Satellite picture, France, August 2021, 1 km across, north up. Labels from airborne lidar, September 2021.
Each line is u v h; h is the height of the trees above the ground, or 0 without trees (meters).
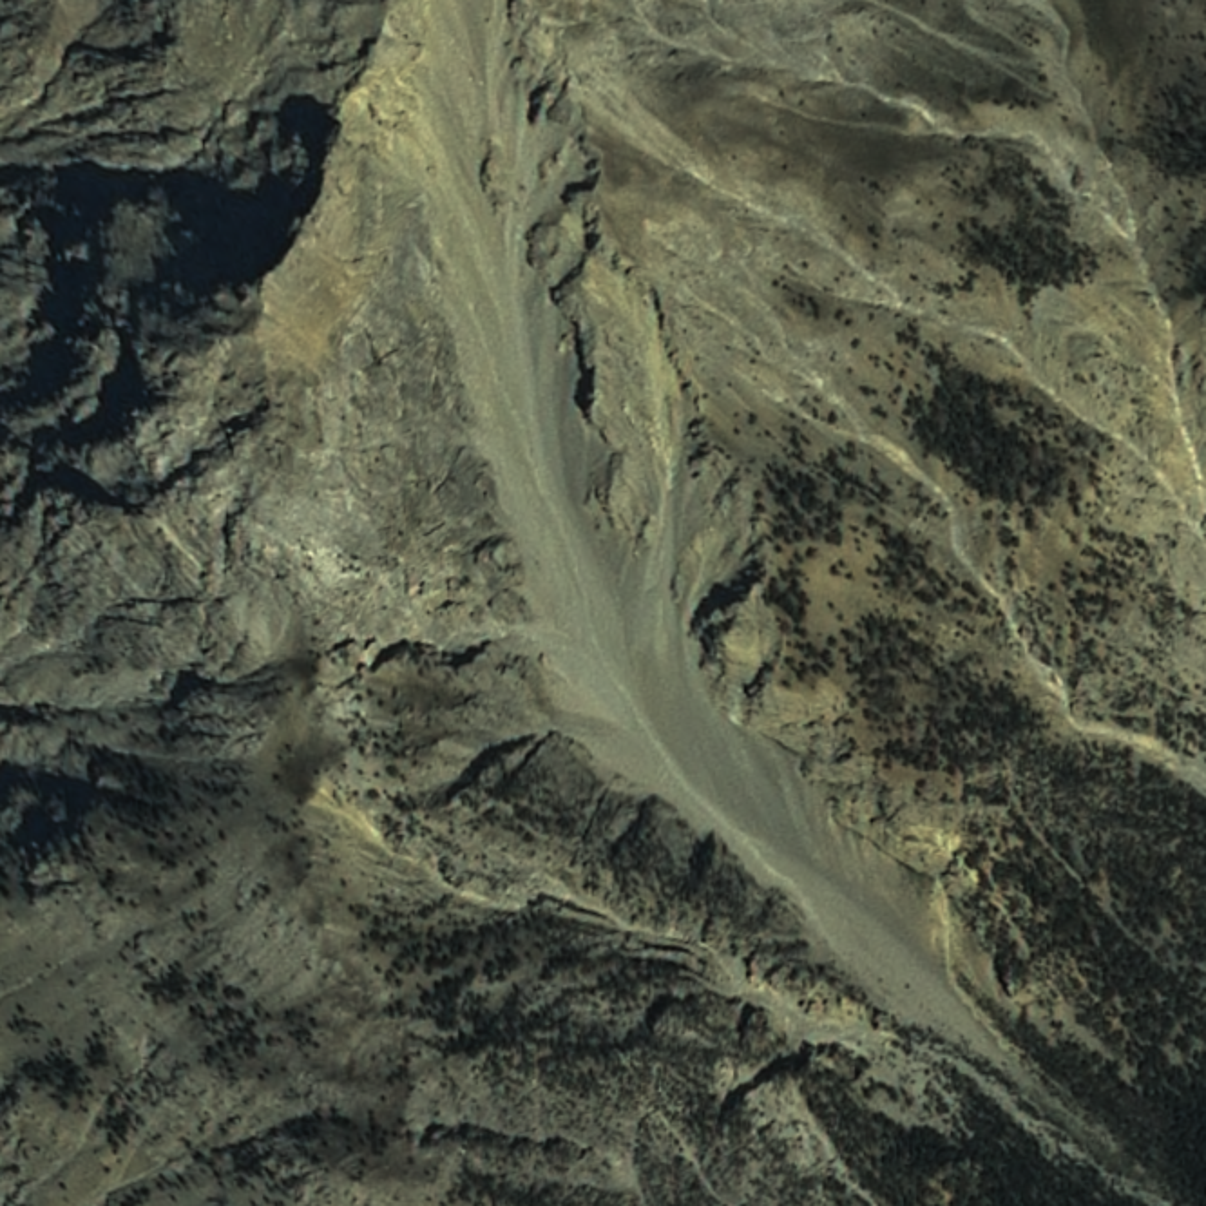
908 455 0
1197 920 6
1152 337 0
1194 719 10
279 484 0
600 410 0
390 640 0
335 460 0
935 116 0
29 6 0
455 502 0
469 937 6
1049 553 0
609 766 0
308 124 0
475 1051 8
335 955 0
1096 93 0
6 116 0
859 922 0
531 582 0
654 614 0
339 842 0
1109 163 0
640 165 0
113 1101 7
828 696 0
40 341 0
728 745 0
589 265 0
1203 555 0
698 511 0
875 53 0
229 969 0
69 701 0
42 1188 0
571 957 9
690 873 8
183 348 0
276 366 0
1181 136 7
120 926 0
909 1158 9
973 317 0
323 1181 0
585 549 0
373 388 0
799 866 0
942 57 0
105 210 0
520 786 7
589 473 0
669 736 0
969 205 0
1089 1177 7
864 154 0
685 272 0
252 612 0
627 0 0
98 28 0
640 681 0
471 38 0
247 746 0
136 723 0
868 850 0
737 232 0
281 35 0
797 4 0
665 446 0
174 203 0
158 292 0
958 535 0
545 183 0
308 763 0
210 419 0
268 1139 0
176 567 0
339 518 0
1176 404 0
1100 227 0
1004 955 8
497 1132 7
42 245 0
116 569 0
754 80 0
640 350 0
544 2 0
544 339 0
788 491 10
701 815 0
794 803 0
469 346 0
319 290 0
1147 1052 10
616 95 0
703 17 0
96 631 0
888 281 0
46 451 0
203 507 0
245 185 0
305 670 0
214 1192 0
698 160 0
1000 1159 8
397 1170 0
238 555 0
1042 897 10
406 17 0
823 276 0
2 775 0
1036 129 0
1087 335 0
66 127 0
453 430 0
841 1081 6
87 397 0
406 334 0
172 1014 0
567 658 0
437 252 0
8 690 0
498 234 0
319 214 0
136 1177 0
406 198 0
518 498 0
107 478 0
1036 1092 0
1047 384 0
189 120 0
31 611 0
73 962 0
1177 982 6
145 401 0
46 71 0
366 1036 0
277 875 0
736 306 0
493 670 0
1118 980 11
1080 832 6
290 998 0
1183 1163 9
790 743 0
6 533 0
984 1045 0
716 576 0
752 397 0
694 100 0
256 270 0
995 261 6
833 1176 8
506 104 0
